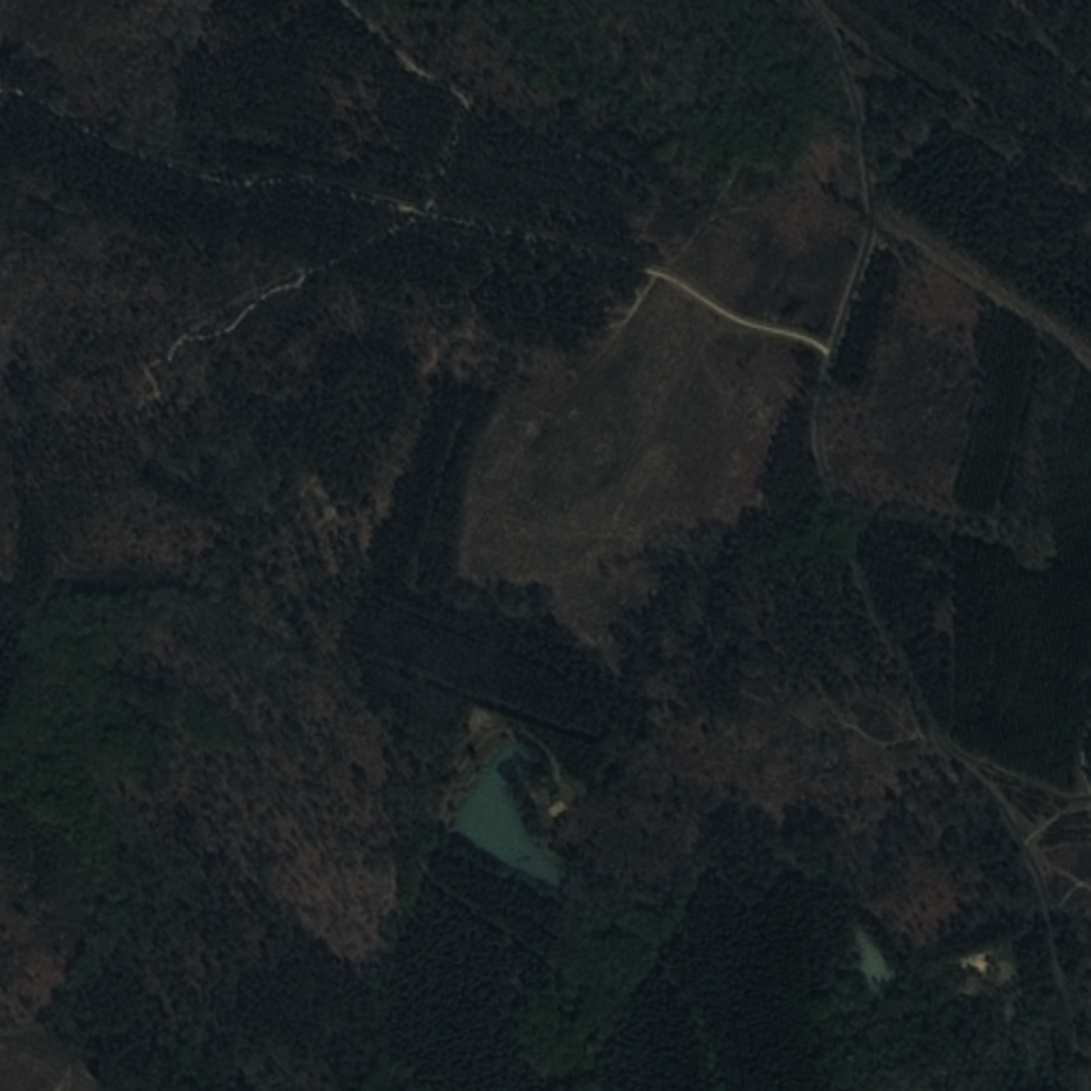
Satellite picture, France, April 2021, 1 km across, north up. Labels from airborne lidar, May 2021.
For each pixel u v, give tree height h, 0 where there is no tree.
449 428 14
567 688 18
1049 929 15
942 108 12
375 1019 30
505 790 0
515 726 6
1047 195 29
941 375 12
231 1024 27
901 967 24
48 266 7
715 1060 12
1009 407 12
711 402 0
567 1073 10
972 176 20
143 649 13
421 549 15
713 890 18
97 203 21
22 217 8
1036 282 19
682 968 20
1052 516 14
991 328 12
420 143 19
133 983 27
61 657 25
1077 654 13
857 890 23
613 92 18
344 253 17
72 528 19
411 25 7
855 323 10
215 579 25
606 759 17
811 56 13
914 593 26
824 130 20
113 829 18
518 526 0
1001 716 13
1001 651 12
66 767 20
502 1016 21
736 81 18
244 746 17
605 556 0
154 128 16
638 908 15
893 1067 10
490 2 15
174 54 17
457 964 18
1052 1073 15
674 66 19
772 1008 22
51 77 22
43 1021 9
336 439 26
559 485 0
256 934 24
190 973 25
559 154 14
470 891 18
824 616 24
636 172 10
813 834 31
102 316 9
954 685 19
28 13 0
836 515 10
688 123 16
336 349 9
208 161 8
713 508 0
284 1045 31
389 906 0
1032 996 20
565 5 20
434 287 23
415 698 17
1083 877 0
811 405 21
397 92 15
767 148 19
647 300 0
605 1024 20
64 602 21
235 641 18
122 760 18
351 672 16
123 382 8
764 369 0
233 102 15
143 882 19
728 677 19
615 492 0
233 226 19
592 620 0
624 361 0
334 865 11
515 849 0
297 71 16
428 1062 17
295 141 17
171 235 21
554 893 13
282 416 11
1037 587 14
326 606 29
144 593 25
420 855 19
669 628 21
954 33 13
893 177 18
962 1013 12
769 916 23
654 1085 18
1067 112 13
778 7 16
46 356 6
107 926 19
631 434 0
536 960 18
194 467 11
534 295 19
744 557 25
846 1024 16
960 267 20
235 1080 26
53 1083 0
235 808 12
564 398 0
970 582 13
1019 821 0
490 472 0
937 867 23
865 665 20
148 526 7
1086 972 8
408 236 19
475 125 16
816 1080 25
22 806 8
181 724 15
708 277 0
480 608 18
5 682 25
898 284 9
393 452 24
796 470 23
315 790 15
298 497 27
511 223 16
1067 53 25
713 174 15
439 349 12
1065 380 14
